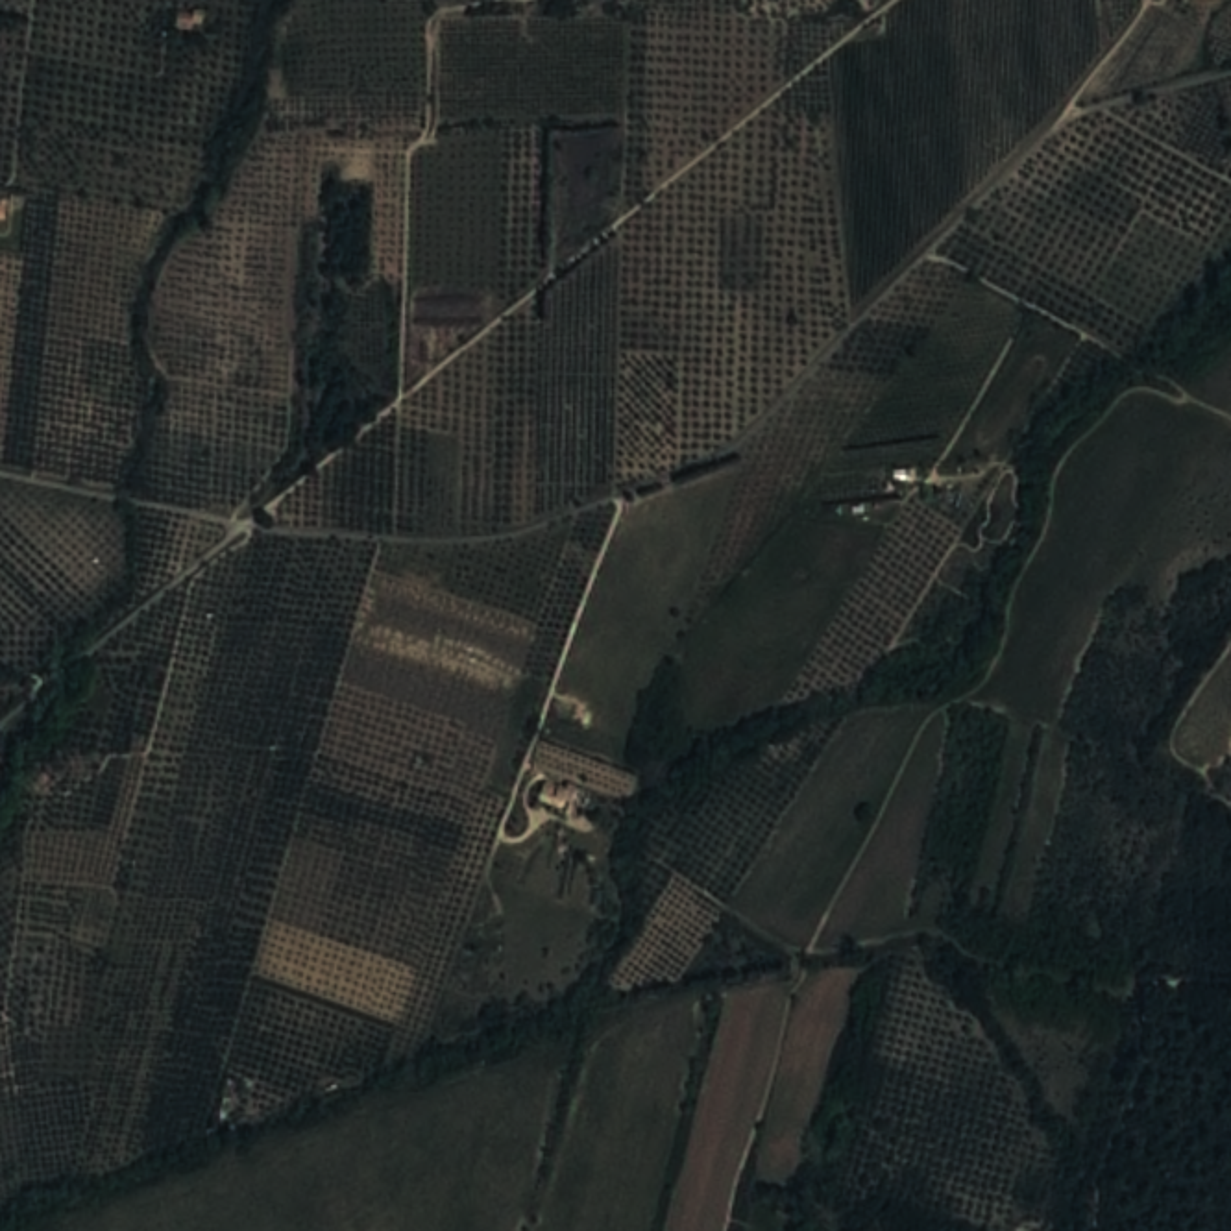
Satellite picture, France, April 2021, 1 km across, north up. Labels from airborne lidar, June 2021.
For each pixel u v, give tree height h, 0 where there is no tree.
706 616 0
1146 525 0
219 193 9
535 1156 0
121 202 7
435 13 9
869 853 0
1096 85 0
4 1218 9
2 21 6
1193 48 0
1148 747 7
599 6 0
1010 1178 6
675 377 7
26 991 6
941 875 9
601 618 0
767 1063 0
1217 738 0
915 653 7
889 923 0
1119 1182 14
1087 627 0
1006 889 6
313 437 9
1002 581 12
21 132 6
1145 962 11
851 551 0
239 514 0
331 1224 0
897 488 8
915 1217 6
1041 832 0
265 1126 6
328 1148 0
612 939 7
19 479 0
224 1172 0
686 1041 0
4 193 7
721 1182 0
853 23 0
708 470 11
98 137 6
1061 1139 8
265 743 5
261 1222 0
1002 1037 7
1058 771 0
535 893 0
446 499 0
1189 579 8
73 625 8
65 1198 16
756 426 0
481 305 0
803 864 0
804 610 0
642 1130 0
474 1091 0
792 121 6
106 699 0
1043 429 15
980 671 12
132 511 13
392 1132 0
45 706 15
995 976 8
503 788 0
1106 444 0
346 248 14
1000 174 0
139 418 10
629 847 8
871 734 0
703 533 0
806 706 9
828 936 0
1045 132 0
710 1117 0
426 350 0
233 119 11
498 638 0
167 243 8
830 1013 0
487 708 0
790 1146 0
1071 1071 0
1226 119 10
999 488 0
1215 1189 5
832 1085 8
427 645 0
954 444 0
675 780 12
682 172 0
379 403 9
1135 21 0
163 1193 0
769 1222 0
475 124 7
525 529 0
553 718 0
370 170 0
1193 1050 10
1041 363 0
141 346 10
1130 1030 7
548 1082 0
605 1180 0
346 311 6
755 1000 0
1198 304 21
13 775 18
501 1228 0
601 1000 8
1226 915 6
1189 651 9
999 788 6
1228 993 11
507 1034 14
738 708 0
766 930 0
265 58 6
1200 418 0
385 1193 0
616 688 0
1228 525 0
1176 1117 13
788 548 0
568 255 0
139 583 7
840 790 0
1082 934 9
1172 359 12
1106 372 11
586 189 0
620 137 0
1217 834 6
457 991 0
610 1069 0
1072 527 0
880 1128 8
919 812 0
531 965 0
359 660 0
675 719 0
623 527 0
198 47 11
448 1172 0
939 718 0
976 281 9
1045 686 0
